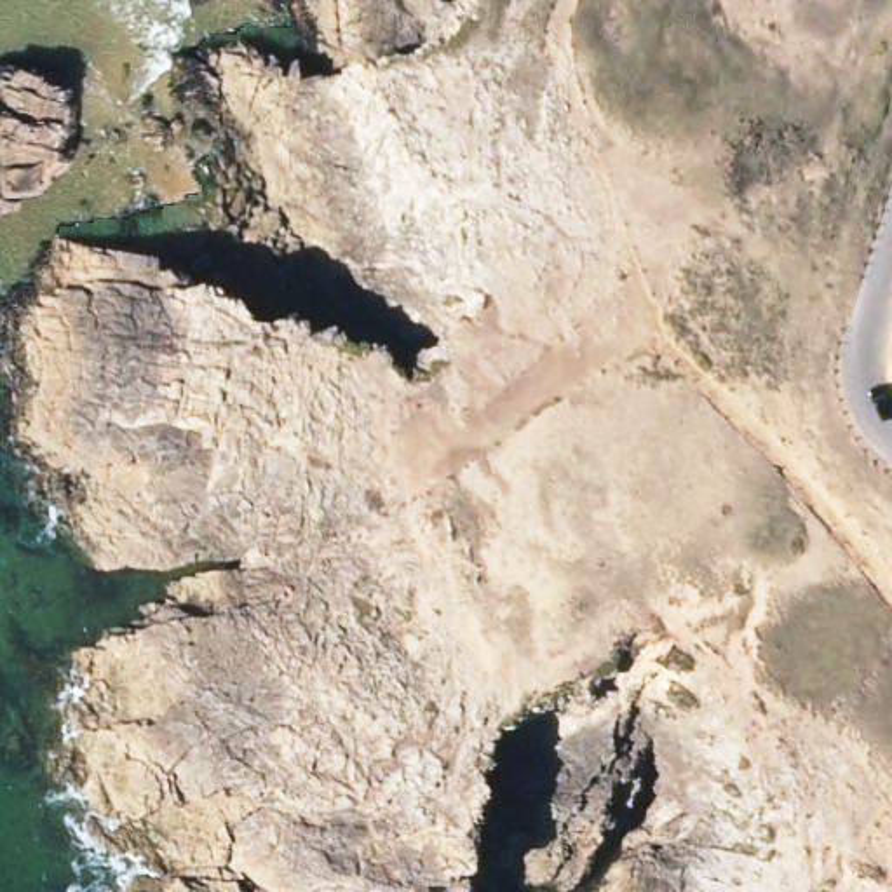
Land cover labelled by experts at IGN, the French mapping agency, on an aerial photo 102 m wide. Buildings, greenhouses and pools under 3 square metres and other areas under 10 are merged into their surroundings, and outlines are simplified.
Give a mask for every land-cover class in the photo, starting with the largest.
<instances>
[{"label":"bare soil","instance_id":"1","mask_svg":"<svg viewBox=\"0 0 892 892\"><path fill-rule=\"evenodd\" d=\"M192 14L185 17L181 45L171 56V70L150 87V94L139 98L143 118L150 122L146 136L160 132L167 146H181L199 185L181 202H164V216L174 230H115L108 233V244L101 251L73 240H38L24 268V279L0 293V373L10 380L14 390V453L31 456V463L24 467L28 502L45 516V533L73 537V544L101 571L139 568L160 571L167 582L164 603L143 606L139 631L108 634L94 648L73 652L70 679L56 697L63 739L45 753V774L56 781L59 791H49L45 798L49 805L63 808V826L80 843L70 861L66 892H892V603L871 578V561L815 505L812 491L801 481L787 477V467L770 456V446L746 425H739L735 415L711 390H704L707 373H714L721 383L767 376V390H781L784 383V345L777 331L787 321L791 293L781 289V282L774 279V272H781V251L774 244L791 240L794 251L826 254L836 247L843 223L868 226L878 233L892 188V0H578L571 31L592 52L596 101L627 129L613 136L610 153H592V167H578L575 150L582 143L547 136L551 101L540 94L554 66L547 49V28L558 0H188ZM84 146V84L59 91L35 73L0 77V216L21 209L24 199L45 195L52 178L66 174V160Z\"/></svg>","mask_w":892,"mask_h":892},{"label":"water","instance_id":"2","mask_svg":"<svg viewBox=\"0 0 892 892\"><path fill-rule=\"evenodd\" d=\"M192 14L188 0H0V77L35 73L59 91L84 84V146L66 160V174L52 178L45 195L24 199L21 209L0 216V293L24 279V268L38 240H73L101 251L108 244V233L115 230H174L164 216V202H181L199 185L181 146H167L160 132L146 136L150 122L143 118L139 98L150 94V87L171 70V56L181 45L185 17ZM14 390L10 380L0 373V892H66L70 861L80 843L63 826V808L49 805L45 798L49 791H59L56 781L45 774V753L63 739L56 697L70 679L73 652L94 648L108 634L139 631L143 606L164 603L167 582L160 571L139 568L101 571L73 544V537L45 533V516L28 502L24 467L31 463V456L14 453Z\"/></svg>","mask_w":892,"mask_h":892},{"label":"pervious surface","instance_id":"3","mask_svg":"<svg viewBox=\"0 0 892 892\"><path fill-rule=\"evenodd\" d=\"M578 0H558L547 28V49L554 66L540 94L551 101L547 136L582 143L575 150L578 167H592V153H610L613 136L627 129L596 101L592 52L571 31ZM878 233L868 226L843 223L836 247L826 254L794 251L791 240L774 244L781 251V272H774V279L781 282V289L791 293L787 321L777 331L784 345V383L781 390H767V376L721 383L714 373H707L704 390H711L735 415L739 425H746L770 446V456L787 467V477L801 481L812 491L815 505L871 561V578L892 603V467H885L850 429V415L868 397H857L850 387H840V348L847 338L850 307L864 282Z\"/></svg>","mask_w":892,"mask_h":892},{"label":"impervious surface","instance_id":"4","mask_svg":"<svg viewBox=\"0 0 892 892\"><path fill-rule=\"evenodd\" d=\"M840 387H850L857 397H868L850 415V429L885 467H892V188L878 233L864 282L850 307L847 338L840 348Z\"/></svg>","mask_w":892,"mask_h":892}]
</instances>
